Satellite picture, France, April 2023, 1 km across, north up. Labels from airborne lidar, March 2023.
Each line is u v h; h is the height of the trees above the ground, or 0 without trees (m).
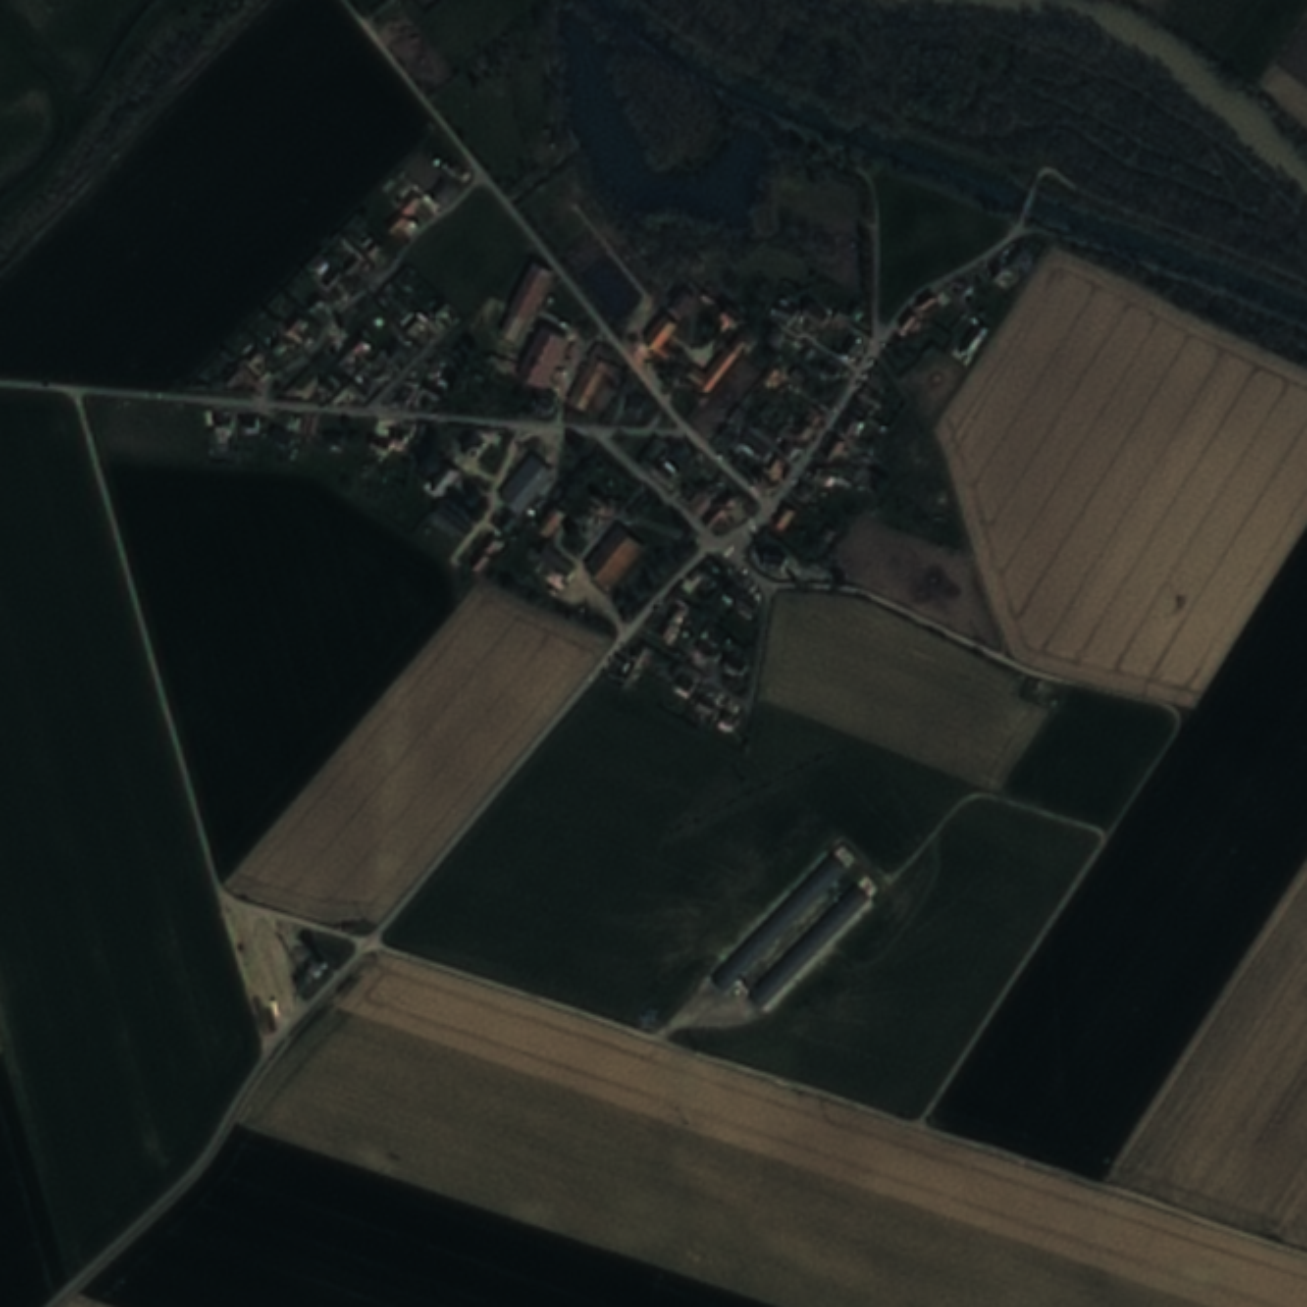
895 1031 0
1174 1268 0
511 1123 0
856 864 0
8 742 0
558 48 15
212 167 0
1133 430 0
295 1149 0
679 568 10
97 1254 0
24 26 0
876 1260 0
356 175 0
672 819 0
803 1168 0
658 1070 0
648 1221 0
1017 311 0
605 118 0
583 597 0
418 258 0
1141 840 0
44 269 0
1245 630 0
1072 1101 0
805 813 0
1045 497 0
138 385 0
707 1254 0
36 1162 0
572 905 0
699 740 0
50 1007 0
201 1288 0
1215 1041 0
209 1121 0
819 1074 0
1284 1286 0
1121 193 17
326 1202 0
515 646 0
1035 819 0
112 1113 0
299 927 0
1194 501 0
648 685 0
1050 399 0
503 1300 0
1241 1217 0
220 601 0
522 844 0
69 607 0
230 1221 0
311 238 0
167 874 0
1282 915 0
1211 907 0
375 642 0
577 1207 0
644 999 0
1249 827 0
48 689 0
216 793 0
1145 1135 0
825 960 0
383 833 0
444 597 0
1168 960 0
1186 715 0
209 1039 0
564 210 0
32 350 0
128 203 0
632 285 0
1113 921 0
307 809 0
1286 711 0
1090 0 9
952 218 0
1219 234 13
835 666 0
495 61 9
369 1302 0
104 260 0
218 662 0
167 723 0
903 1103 0
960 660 0
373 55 0
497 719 0
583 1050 0
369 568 0
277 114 0
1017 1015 0
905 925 0
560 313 0
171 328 0
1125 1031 0
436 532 0
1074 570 0
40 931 0
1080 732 0
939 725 0
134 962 0
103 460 0
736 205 0
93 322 0
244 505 0
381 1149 0
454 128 0
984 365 0
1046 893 0
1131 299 0
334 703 0
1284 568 0
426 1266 0
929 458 0
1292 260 14
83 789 0
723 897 0
